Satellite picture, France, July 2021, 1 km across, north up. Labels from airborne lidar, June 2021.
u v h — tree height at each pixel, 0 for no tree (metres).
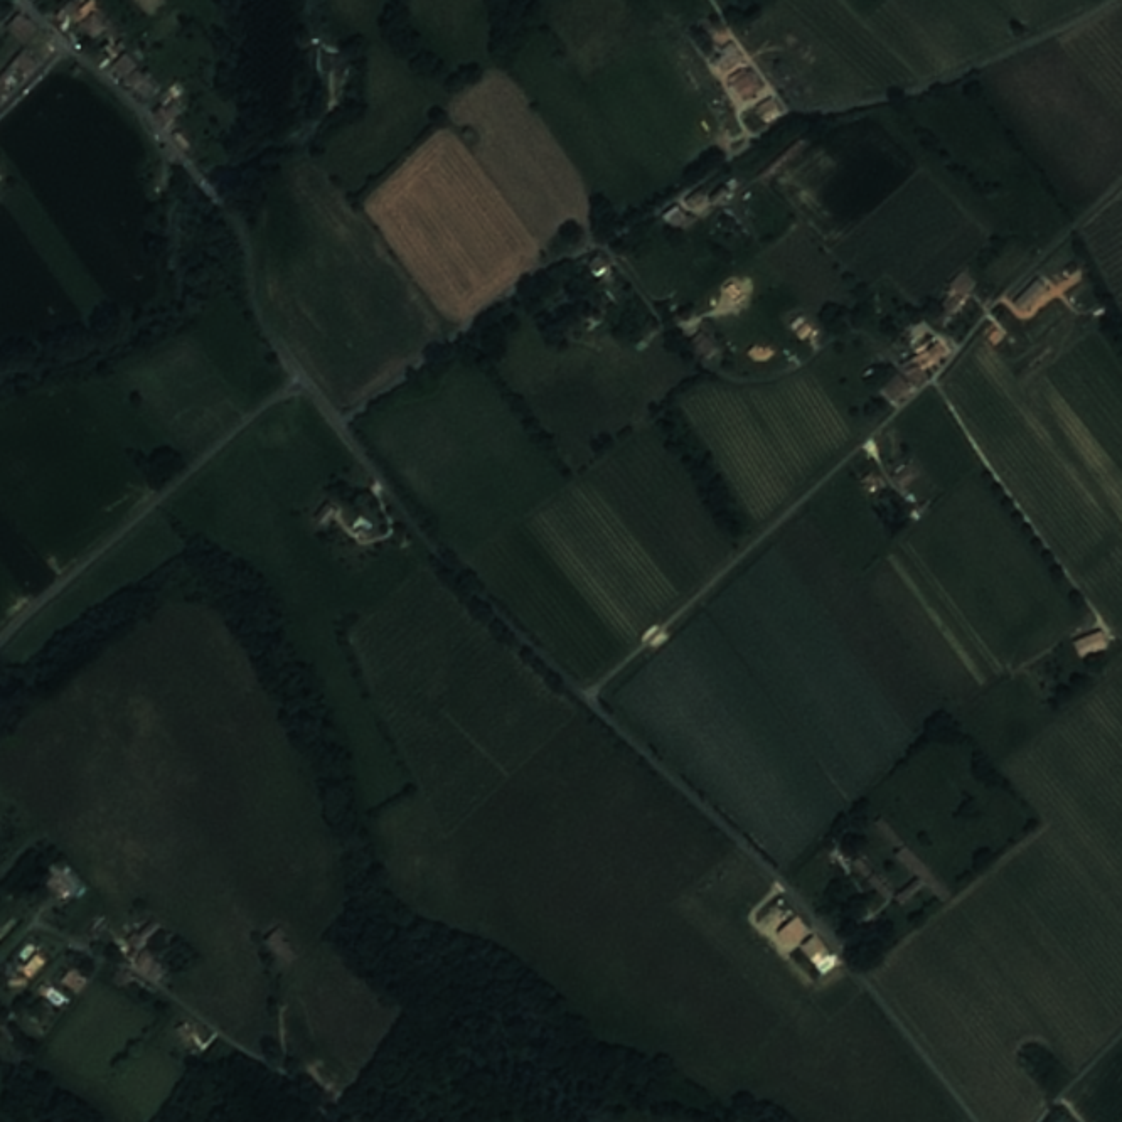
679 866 0
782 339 0
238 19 31
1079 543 0
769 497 0
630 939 0
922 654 0
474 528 0
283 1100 21
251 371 0
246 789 0
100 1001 0
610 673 0
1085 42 0
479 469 0
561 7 0
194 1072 17
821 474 0
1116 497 0
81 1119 20
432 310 0
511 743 0
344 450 0
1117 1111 0
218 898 0
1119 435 0
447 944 21
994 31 0
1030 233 0
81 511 0
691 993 0
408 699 0
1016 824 0
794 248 0
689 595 0
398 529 12
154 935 7
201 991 0
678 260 0
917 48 0
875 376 10
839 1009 0
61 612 0
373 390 0
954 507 0
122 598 11
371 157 0
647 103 0
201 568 14
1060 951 0
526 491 0
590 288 6
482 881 0
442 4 0
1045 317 0
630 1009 0
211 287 6
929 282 0
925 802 0
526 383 0
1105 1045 0
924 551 0
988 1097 0
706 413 0
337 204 0
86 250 0
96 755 0
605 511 0
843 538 0
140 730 0
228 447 0
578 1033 18
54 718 0
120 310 19
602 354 0
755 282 0
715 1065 0
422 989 23
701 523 0
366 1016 0
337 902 0
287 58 30
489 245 0
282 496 0
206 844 0
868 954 21
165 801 0
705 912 0
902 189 0
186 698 0
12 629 0
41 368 18
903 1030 0
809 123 17
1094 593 0
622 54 0
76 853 0
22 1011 9
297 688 15
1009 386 0
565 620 0
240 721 0
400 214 0
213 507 0
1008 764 0
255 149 21
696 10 0
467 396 0
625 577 0
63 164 0
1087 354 0
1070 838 0
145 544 0
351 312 0
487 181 0
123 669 0
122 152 0
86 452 0
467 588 18
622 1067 21
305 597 0
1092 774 0
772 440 0
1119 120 0
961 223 0
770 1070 0
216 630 0
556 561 0
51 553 0
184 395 0
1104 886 0
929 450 0
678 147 0
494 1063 18
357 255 0
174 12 0
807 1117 0
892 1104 0
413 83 0
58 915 7
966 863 0
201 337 0
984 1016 0
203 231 10
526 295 15
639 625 0
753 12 12
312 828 0
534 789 0
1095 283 8
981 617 0
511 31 18
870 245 0
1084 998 0
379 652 0
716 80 0
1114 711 0
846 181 0
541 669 15
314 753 26
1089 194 0
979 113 0
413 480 0
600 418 0
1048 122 0
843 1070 0
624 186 0
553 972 0
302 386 0
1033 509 0
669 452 12
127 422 0
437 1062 12
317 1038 0
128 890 0
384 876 15
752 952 0
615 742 6
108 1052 0
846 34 0
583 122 0
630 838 0
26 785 0
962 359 0
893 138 0
